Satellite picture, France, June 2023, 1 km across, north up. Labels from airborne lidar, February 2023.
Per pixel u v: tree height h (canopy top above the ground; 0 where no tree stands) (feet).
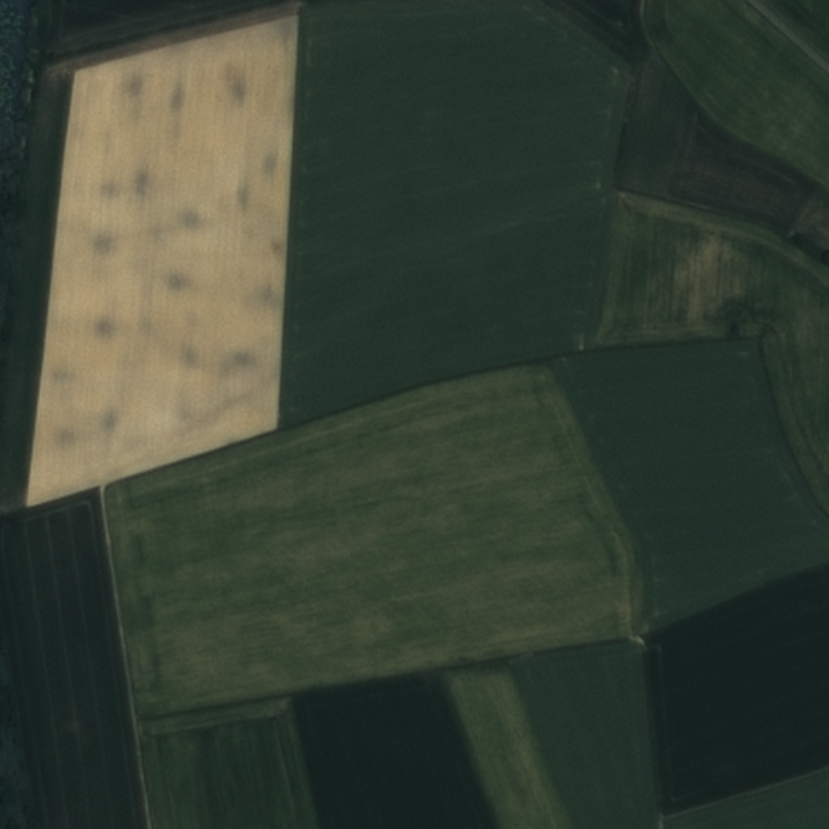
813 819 0
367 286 0
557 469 0
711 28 0
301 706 0
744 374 0
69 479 0
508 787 0
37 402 0
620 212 0
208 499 0
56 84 0
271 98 0
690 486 0
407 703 0
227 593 0
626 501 0
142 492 0
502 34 0
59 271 0
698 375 0
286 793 0
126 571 0
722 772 0
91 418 0
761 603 0
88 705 0
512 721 0
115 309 0
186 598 0
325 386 0
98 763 0
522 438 0
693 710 0
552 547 0
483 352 0
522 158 0
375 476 0
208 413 0
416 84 0
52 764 0
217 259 0
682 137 0
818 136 0
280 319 0
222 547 0
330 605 0
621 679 0
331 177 0
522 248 0
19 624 0
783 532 0
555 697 0
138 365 0
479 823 0
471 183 0
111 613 0
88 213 0
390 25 0
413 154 0
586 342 0
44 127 0
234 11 0
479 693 0
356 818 0
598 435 0
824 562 0
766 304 0
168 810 0
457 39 0
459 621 0
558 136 0
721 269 0
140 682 0
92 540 0
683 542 0
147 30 0
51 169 0
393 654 0
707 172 0
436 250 0
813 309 0
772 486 0
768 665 0
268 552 0
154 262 0
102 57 0
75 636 0
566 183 0
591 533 0
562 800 0
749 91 0
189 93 0
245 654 0
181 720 0
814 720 0
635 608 0
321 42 0
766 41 0
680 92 0
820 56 0
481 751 0
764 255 0
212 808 0
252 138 0
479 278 0
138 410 0
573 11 0
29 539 0
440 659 0
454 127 0
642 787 0
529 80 0
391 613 0
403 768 0
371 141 0
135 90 0
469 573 0
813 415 0
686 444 0
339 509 0
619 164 0
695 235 0
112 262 0
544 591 0
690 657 0
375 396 0
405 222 0
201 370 0
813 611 0
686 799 0
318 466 0
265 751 0
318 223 0
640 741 0
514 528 0
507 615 0
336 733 0
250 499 0
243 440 0
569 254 0
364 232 0
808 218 0
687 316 0
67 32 0
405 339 0
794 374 0
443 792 0
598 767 0
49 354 0
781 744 0
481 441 0
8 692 42
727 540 0
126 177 0
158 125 0
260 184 0
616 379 0
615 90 0
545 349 0
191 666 0
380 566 0
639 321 0
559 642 0
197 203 0
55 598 0
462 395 0
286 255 0
